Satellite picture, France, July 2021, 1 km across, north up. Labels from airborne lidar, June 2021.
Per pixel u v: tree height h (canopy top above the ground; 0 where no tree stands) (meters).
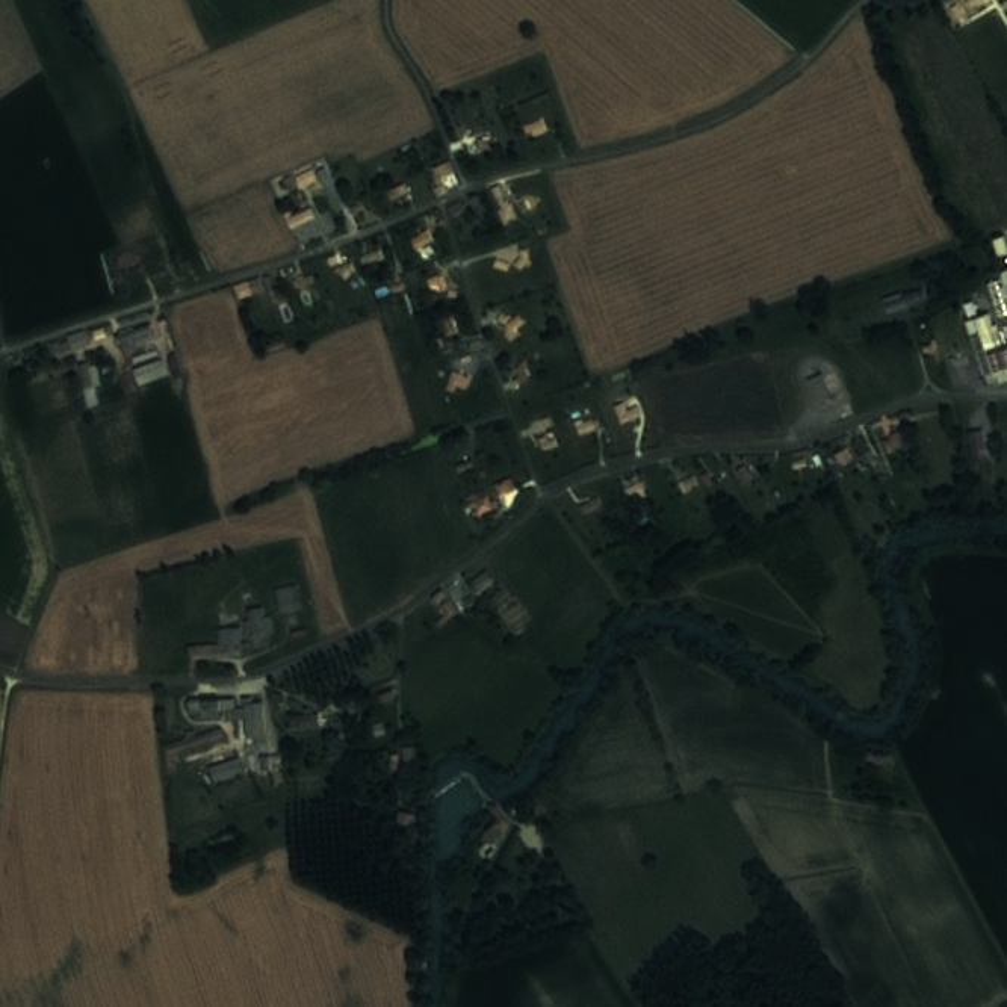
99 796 0
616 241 0
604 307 0
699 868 0
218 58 0
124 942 0
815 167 0
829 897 0
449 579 0
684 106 0
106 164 0
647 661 0
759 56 0
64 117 0
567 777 0
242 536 0
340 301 0
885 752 8
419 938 17
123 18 0
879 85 0
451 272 0
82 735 0
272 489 6
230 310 0
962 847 0
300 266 0
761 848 0
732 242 0
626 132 0
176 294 0
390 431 0
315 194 0
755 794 0
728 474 0
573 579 0
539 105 0
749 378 0
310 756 7
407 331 0
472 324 7
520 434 0
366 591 0
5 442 0
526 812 16
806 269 0
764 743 0
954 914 0
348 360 0
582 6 0
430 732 0
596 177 0
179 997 0
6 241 0
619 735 0
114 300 0
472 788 0
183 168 0
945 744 0
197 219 0
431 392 0
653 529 16
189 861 8
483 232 8
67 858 0
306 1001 0
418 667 0
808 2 0
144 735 0
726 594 0
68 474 0
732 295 0
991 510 18
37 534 0
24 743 0
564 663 0
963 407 0
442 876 16
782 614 0
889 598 10
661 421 0
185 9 0
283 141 0
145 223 0
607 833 0
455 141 6
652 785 0
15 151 0
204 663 12
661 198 0
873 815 0
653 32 0
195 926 0
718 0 0
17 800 0
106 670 0
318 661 19
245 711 0
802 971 27
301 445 0
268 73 0
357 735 19
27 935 0
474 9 0
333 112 0
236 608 0
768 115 0
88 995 0
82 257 0
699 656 15
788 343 0
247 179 0
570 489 0
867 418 0
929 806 0
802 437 0
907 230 0
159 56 0
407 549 0
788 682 0
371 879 24
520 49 0
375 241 11
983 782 0
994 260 10
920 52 0
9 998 0
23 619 0
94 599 0
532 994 0
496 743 0
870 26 12
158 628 0
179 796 0
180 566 6
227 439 0
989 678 0
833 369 0
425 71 0
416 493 0
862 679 0
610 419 0
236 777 7
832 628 0
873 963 0
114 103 0
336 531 0
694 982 22
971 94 0
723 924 0
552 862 16
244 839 8
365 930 0
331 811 18
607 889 0
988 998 0
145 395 0
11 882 0
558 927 11
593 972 0
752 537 7
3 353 0
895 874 0
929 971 0
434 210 5
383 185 11
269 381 0
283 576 0
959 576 0
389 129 0
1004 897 0
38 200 0
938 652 12
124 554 0
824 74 0
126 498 0
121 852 0
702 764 0
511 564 0
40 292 0
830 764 0
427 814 12
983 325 0
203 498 0
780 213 0
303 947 0
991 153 0
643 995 11
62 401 0
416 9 0
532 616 0
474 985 0
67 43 0
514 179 0
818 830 0
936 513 13
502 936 17
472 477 7
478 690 0
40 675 0
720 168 0
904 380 0
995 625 0
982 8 0
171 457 0
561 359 0
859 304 0
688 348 19
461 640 0
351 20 0
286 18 0
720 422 0
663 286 0
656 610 0
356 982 0
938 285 11
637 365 9
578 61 0
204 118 0
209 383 0
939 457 0
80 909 0
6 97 0
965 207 0
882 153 0
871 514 0
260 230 0
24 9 0
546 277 0
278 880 0
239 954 0
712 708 0
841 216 0
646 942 0
